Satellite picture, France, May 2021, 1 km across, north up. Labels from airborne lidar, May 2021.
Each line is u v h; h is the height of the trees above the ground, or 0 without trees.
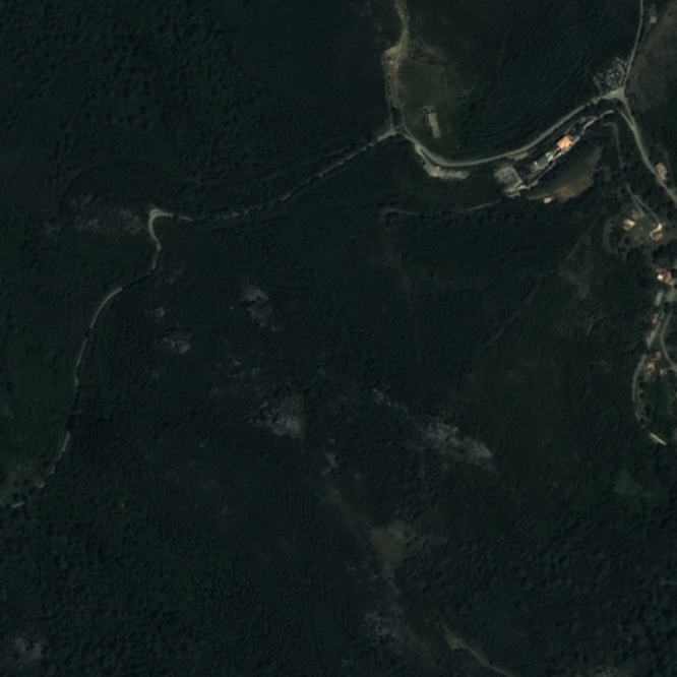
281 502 9
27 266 8
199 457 7
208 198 13
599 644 9
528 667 13
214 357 6
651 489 15
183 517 8
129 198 7
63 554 11
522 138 10
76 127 7
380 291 7
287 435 6
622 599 24
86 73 6
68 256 7
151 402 12
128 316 7
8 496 0
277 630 13
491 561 16
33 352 7
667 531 16
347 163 7
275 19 5
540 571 17
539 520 17
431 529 8
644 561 16
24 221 6
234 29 13
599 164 6
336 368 8
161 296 6
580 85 6
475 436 14
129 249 6
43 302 8
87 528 11
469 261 7
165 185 7
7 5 9
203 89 9
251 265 7
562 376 6
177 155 10
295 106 6
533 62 10
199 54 7
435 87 0
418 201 7
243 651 12
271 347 6
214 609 13
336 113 5
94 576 13
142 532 9
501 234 9
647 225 0
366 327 8
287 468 8
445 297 6
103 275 6
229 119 8
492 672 11
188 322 7
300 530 11
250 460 5
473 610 21
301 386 13
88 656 26
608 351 7
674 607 10
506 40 6
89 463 7
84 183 12
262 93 12
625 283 7
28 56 13
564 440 6
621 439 13
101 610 13
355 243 9
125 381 13
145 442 6
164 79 14
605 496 10
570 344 9
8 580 11
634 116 11
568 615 11
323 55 6
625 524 17
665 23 0
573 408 9
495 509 9
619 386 9
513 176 0
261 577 8
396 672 9
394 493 10
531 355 6
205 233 6
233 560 11
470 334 6
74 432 21
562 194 0
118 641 17
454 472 9
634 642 10
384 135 0
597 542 18
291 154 6
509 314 10
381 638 6
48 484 9
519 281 9
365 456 11
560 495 16
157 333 7
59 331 7
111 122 14
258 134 11
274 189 9
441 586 12
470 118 10
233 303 5
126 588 10
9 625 7
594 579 18
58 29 8
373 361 11
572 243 9
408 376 10
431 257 6
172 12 8
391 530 0
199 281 6
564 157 13
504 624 9
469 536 13
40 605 9
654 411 12
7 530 21
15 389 25
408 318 8
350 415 9
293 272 9
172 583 10
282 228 13
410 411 7
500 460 15
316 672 16
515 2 7
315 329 10
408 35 0
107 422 19
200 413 8
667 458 24
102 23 12
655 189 15
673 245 15
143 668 22
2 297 8
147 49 15
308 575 12
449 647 12
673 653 25
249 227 8
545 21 7
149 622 11
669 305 11
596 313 9
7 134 11
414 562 14
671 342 9
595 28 9
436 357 7
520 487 12
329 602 12
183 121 12
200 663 8
